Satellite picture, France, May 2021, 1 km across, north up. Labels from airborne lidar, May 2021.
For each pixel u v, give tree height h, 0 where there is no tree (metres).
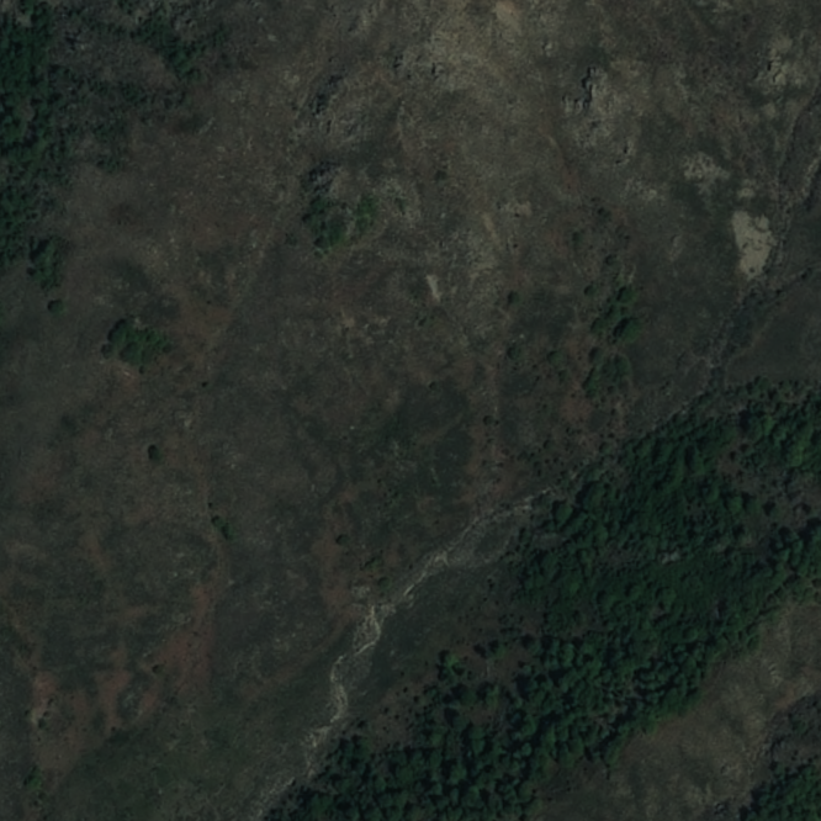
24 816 0
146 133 0
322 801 22
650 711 25
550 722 17
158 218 0
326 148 0
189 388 0
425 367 0
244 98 0
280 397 0
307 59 0
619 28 0
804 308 0
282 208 0
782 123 0
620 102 0
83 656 0
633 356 0
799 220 0
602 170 0
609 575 10
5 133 18
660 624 13
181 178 0
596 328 12
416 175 0
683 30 0
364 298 0
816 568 23
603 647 10
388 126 0
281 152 0
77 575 0
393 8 0
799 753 9
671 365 0
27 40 12
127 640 0
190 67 14
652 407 0
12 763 0
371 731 13
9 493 0
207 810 0
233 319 0
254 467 0
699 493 8
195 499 0
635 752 0
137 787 0
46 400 0
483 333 0
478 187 0
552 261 0
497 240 0
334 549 0
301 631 0
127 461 0
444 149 0
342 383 0
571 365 0
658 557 12
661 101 0
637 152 0
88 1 0
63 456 0
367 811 16
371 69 0
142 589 0
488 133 0
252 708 0
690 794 0
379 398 0
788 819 20
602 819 0
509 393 0
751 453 11
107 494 0
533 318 0
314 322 0
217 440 0
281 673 0
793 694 0
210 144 0
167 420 0
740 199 0
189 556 0
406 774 19
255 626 0
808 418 10
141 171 0
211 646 0
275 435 0
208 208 0
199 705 0
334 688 0
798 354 0
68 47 0
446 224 0
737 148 0
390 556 0
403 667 0
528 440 0
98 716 0
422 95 0
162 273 0
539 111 0
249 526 0
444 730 6
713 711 0
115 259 0
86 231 0
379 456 0
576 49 0
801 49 0
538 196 0
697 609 10
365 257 0
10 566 0
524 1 0
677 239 0
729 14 0
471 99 0
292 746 0
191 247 0
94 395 0
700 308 0
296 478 0
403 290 0
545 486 0
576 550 9
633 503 10
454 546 0
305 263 0
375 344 0
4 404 0
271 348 0
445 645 0
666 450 17
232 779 0
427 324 21
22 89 21
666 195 0
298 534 0
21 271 0
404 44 0
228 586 0
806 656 0
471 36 0
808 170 0
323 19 0
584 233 14
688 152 0
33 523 0
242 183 0
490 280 0
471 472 0
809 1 0
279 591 0
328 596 0
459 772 29
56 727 0
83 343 0
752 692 0
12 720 0
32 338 0
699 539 20
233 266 0
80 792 0
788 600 13
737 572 7
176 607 0
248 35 0
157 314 0
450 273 0
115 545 0
